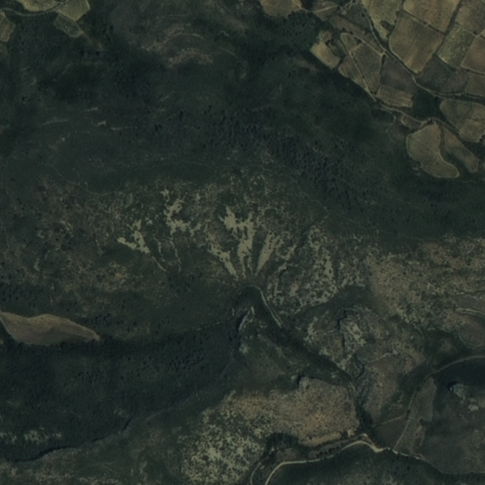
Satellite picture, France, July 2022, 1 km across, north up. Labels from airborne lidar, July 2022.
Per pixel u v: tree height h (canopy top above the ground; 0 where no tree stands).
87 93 6
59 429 8
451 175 0
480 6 0
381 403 0
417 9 0
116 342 8
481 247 0
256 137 8
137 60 6
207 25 7
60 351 6
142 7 0
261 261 0
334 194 13
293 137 6
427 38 0
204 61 0
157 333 12
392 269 0
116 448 0
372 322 0
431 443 0
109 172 0
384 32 0
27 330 0
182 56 0
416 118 7
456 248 0
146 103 6
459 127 0
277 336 7
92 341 11
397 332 0
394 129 0
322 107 6
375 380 0
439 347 0
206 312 0
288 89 6
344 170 8
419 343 0
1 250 0
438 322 0
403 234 0
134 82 7
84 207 0
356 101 5
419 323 0
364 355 0
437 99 13
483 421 0
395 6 0
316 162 16
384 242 0
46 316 0
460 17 0
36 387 8
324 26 7
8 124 7
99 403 7
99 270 0
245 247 0
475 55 0
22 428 6
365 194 11
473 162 0
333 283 0
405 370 0
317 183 11
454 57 0
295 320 8
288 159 8
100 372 11
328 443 7
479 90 0
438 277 0
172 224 0
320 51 0
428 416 0
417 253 0
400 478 8
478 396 0
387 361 0
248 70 7
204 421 0
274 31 6
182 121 11
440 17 0
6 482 0
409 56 0
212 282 0
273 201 0
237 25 0
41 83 7
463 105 0
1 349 6
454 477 9
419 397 0
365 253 0
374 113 9
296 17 11
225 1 7
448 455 0
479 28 0
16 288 8
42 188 7
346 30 7
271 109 8
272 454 8
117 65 7
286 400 0
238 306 0
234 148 7
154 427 0
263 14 9
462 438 0
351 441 7
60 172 0
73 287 0
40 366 8
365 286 0
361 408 11
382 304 0
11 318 0
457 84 0
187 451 0
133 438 0
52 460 0
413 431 0
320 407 0
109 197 0
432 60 0
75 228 0
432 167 0
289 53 7
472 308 0
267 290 0
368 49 0
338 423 0
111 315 11
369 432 9
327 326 0
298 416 0
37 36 8
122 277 0
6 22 0
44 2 0
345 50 0
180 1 0
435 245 0
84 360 0
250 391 0
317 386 0
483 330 0
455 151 0
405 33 0
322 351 0
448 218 7
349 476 0
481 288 0
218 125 9
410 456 9
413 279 0
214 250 0
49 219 0
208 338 10
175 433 0
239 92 6
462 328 0
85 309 0
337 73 8
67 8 0
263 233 0
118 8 0
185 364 9
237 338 10
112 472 0
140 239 0
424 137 0
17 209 0
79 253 0
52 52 7
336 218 0
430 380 0
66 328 0
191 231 0
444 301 0
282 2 0
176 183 0
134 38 0
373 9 0
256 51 8
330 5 0
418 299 0
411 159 7
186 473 0
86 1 0
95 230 0
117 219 0
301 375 8
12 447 8
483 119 0
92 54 19
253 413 0
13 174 0
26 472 0
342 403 0
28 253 0
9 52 8
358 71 0
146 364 11
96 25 10
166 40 0
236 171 7
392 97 0
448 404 0
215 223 0
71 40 9
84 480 0
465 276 0
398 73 0
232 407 0
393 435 0
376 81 0
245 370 0
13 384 8
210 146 8
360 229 0
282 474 0
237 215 13
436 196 8
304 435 0
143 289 0
